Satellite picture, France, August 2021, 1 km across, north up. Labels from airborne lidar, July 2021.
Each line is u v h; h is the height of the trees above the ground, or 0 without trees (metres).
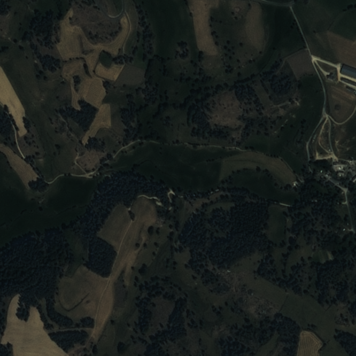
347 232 0
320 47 0
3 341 0
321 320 0
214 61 0
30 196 0
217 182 0
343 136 0
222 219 13
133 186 19
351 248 10
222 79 0
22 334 0
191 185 0
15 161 0
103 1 0
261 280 0
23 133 0
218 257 17
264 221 10
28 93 0
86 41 0
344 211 0
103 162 15
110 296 0
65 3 0
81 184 0
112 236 0
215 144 0
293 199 0
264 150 0
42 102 0
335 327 0
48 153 0
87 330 0
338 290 8
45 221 0
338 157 0
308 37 0
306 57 0
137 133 12
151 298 12
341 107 0
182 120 0
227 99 0
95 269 15
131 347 0
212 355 0
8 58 0
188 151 0
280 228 0
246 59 0
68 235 0
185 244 16
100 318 0
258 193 0
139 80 0
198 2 0
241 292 0
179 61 0
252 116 0
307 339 0
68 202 0
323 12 0
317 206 11
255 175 0
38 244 19
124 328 0
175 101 0
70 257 10
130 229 0
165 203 25
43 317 13
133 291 0
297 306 0
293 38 0
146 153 0
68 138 0
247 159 0
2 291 19
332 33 0
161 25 0
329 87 0
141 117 0
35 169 14
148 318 12
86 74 10
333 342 0
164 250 0
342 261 8
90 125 12
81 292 0
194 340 0
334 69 0
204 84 16
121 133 0
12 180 0
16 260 17
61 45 0
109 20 0
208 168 0
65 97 0
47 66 16
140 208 0
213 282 8
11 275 11
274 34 0
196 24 0
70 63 0
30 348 0
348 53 0
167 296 8
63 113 18
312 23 0
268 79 7
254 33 0
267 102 0
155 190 17
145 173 0
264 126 9
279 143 0
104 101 0
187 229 15
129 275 0
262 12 0
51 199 0
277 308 0
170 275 0
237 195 9
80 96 0
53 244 23
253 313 0
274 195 0
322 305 16
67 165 0
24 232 0
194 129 12
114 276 0
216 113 0
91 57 0
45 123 0
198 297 0
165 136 0
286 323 19
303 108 0
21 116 0
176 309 10
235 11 0
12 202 0
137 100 0
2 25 0
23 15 0
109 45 0
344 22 0
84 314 0
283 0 0
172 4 0
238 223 10
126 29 0
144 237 0
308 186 15
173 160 0
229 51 11
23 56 0
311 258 13
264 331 8
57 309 0
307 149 0
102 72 0
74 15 0
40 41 10
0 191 0
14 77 0
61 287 0
